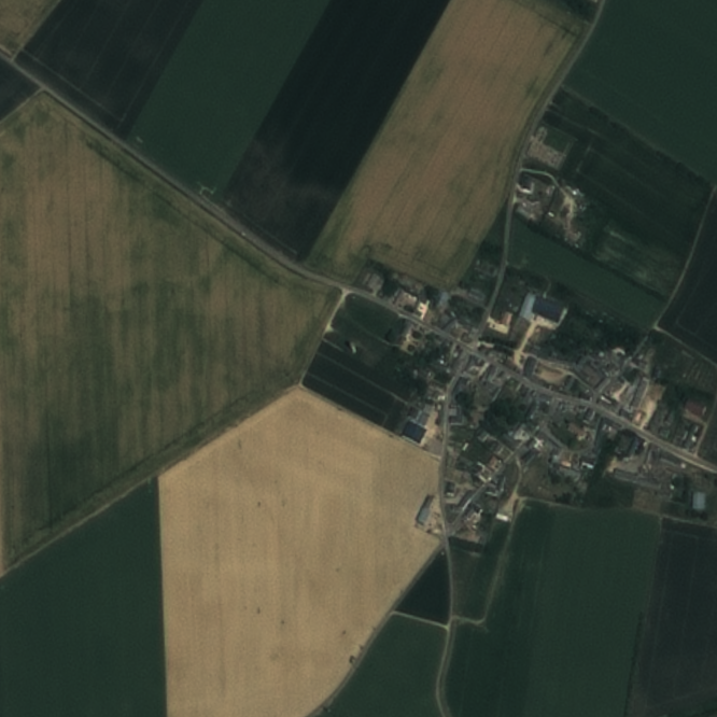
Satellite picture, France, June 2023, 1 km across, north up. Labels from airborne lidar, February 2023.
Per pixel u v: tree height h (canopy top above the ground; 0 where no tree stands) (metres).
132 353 0
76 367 0
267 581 0
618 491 0
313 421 0
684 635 0
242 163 0
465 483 0
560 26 0
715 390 0
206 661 0
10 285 0
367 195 0
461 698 0
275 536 0
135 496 0
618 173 0
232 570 0
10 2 0
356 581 0
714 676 0
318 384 0
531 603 0
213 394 0
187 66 0
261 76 0
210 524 0
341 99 0
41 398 0
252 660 0
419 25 0
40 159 0
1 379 0
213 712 0
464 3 0
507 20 0
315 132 0
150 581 0
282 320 0
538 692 0
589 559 0
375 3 0
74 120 0
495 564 0
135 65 0
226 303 0
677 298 0
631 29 0
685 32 0
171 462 0
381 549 0
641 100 0
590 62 0
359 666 0
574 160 0
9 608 0
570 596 0
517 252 0
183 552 0
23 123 0
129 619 0
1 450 0
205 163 0
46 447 0
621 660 0
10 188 0
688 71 0
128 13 0
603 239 0
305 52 0
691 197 0
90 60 0
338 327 0
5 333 0
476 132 0
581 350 6
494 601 0
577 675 0
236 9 0
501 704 0
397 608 0
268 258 0
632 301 0
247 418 0
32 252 0
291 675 0
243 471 0
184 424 0
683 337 0
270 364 0
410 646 0
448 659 0
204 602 0
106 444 0
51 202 0
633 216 0
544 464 0
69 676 0
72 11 0
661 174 0
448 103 0
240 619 0
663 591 0
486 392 0
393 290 11
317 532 0
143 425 0
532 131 0
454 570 0
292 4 0
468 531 0
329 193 0
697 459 0
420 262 0
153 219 0
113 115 0
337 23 0
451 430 0
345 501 0
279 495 0
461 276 0
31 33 0
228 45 0
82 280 0
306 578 0
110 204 0
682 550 0
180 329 0
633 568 0
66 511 0
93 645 0
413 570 0
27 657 0
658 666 0
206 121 0
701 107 0
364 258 0
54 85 0
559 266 0
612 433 0
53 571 0
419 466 0
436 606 0
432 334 8
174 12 0
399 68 0
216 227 0
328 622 0
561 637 0
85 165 0
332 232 0
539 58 0
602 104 0
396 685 0
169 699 0
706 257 0
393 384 0
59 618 0
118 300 0
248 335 0
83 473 0
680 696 0
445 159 0
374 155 0
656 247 0
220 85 0
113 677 0
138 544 0
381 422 0
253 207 0
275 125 0
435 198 0
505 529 0
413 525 0
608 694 0
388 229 0
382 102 0
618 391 0
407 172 0
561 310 8
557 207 0
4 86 0
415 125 0
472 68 0
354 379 0
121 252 0
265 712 0
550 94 0
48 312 0
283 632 0
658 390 0
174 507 0
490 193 0
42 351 0
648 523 0
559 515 0
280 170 0
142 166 0
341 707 0
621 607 0
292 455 0
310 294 0
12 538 0
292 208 0
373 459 0
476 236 0
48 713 0
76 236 0
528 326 0
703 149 0
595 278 0
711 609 0
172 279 0
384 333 0
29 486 0
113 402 0
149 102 0
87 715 0
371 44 0
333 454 0
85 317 0
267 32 0
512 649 0
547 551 0
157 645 0
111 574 0
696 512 8
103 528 0
